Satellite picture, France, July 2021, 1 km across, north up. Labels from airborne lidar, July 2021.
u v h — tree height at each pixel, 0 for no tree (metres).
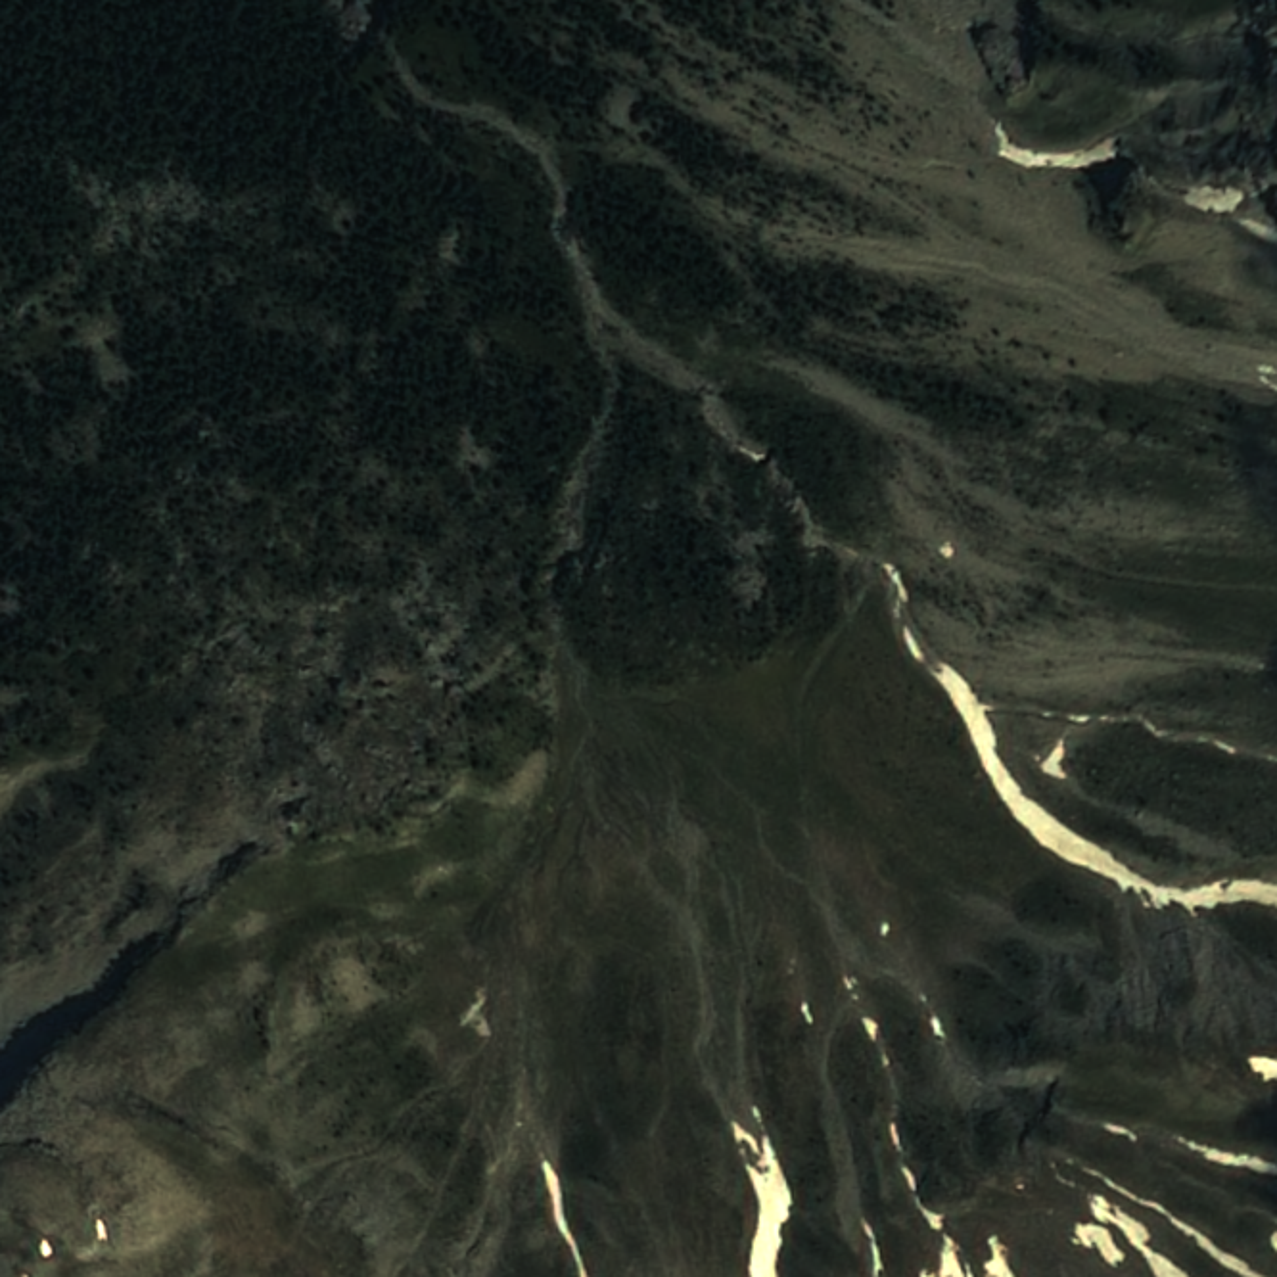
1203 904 0
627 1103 0
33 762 0
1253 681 0
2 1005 0
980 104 0
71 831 0
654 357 0
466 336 9
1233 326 0
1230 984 0
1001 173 0
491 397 7
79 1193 0
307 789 0
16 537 13
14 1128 0
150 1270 0
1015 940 0
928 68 0
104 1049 0
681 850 0
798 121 0
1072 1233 0
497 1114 0
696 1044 0
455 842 0
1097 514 0
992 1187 0
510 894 0
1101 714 0
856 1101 6
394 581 7
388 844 0
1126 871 0
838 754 0
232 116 21
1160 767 0
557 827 0
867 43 0
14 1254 0
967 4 0
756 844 0
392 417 14
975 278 0
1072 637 0
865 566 0
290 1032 0
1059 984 0
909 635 0
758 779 0
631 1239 0
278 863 0
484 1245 0
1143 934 0
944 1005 0
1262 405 0
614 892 0
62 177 8
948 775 0
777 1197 0
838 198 9
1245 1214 0
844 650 0
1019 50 0
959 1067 0
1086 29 0
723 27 6
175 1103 0
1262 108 0
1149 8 0
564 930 0
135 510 6
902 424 0
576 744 0
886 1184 0
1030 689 0
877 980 0
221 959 0
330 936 0
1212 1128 0
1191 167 0
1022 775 0
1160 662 0
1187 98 0
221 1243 0
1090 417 0
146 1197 0
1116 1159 0
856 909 0
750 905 0
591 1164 0
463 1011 0
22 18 21
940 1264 0
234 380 12
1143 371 0
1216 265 0
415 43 0
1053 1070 0
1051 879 0
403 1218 0
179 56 19
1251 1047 0
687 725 0
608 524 7
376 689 0
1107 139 0
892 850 0
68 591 8
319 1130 0
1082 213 0
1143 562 0
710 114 0
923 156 0
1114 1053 0
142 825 0
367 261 13
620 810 0
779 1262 0
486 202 14
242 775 0
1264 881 0
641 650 0
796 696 0
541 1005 0
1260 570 0
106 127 19
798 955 0
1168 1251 0
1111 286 0
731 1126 0
